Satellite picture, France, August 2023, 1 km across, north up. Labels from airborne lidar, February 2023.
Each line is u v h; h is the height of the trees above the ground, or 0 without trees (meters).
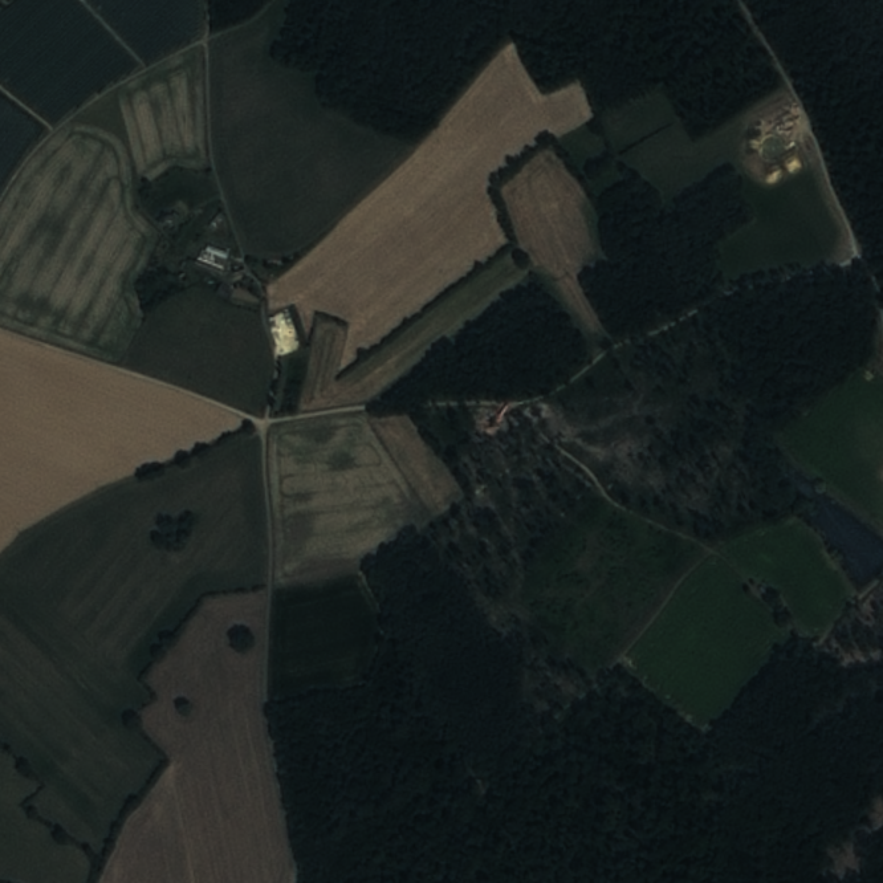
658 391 0
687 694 0
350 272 0
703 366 0
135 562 0
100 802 0
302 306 0
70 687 0
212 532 0
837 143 11
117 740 0
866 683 20
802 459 0
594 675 0
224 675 0
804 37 14
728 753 20
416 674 19
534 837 18
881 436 0
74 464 0
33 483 0
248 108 0
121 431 0
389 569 18
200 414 0
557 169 0
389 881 18
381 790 9
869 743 19
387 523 0
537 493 22
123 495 0
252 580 0
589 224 0
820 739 18
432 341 0
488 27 21
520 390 17
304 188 0
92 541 0
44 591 0
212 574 0
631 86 18
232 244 0
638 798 24
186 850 0
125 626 0
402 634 18
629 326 20
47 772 0
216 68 0
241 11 11
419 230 0
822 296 17
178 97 0
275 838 0
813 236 0
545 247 0
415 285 0
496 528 24
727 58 25
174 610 0
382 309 0
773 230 0
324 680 0
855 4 13
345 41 24
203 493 0
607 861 20
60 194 0
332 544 0
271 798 0
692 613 0
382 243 0
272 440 0
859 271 22
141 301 9
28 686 0
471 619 22
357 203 0
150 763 0
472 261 0
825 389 14
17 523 0
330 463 0
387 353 0
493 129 0
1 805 0
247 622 0
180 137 0
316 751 12
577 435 0
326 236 0
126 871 0
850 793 20
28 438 0
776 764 20
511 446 26
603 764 20
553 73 22
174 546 7
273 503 0
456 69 22
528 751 17
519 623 17
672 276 17
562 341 19
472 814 19
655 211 16
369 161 0
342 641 0
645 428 0
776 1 12
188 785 0
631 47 16
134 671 0
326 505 0
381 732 7
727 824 16
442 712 23
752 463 22
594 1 21
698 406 22
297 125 0
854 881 17
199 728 0
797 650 17
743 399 23
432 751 9
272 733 10
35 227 0
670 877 20
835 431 0
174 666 0
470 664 21
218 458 0
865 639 19
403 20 26
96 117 0
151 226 0
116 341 0
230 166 0
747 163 0
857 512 0
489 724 23
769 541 0
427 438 19
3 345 0
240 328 0
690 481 20
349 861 11
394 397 13
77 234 0
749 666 0
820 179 0
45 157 0
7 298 0
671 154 0
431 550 22
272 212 0
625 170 15
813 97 20
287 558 0
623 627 0
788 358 19
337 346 0
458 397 18
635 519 0
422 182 0
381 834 16
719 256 16
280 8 0
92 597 0
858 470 0
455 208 0
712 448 20
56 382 0
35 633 0
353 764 10
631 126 0
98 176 0
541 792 16
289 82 0
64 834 16
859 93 11
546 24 23
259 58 0
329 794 12
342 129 0
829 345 16
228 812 0
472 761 21
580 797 23
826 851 21
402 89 24
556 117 0
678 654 0
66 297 0
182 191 0
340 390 0
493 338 20
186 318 0
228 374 0
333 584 0
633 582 0
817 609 0
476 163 0
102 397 0
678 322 22
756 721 18
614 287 15
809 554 0
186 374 0
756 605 0
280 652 0
